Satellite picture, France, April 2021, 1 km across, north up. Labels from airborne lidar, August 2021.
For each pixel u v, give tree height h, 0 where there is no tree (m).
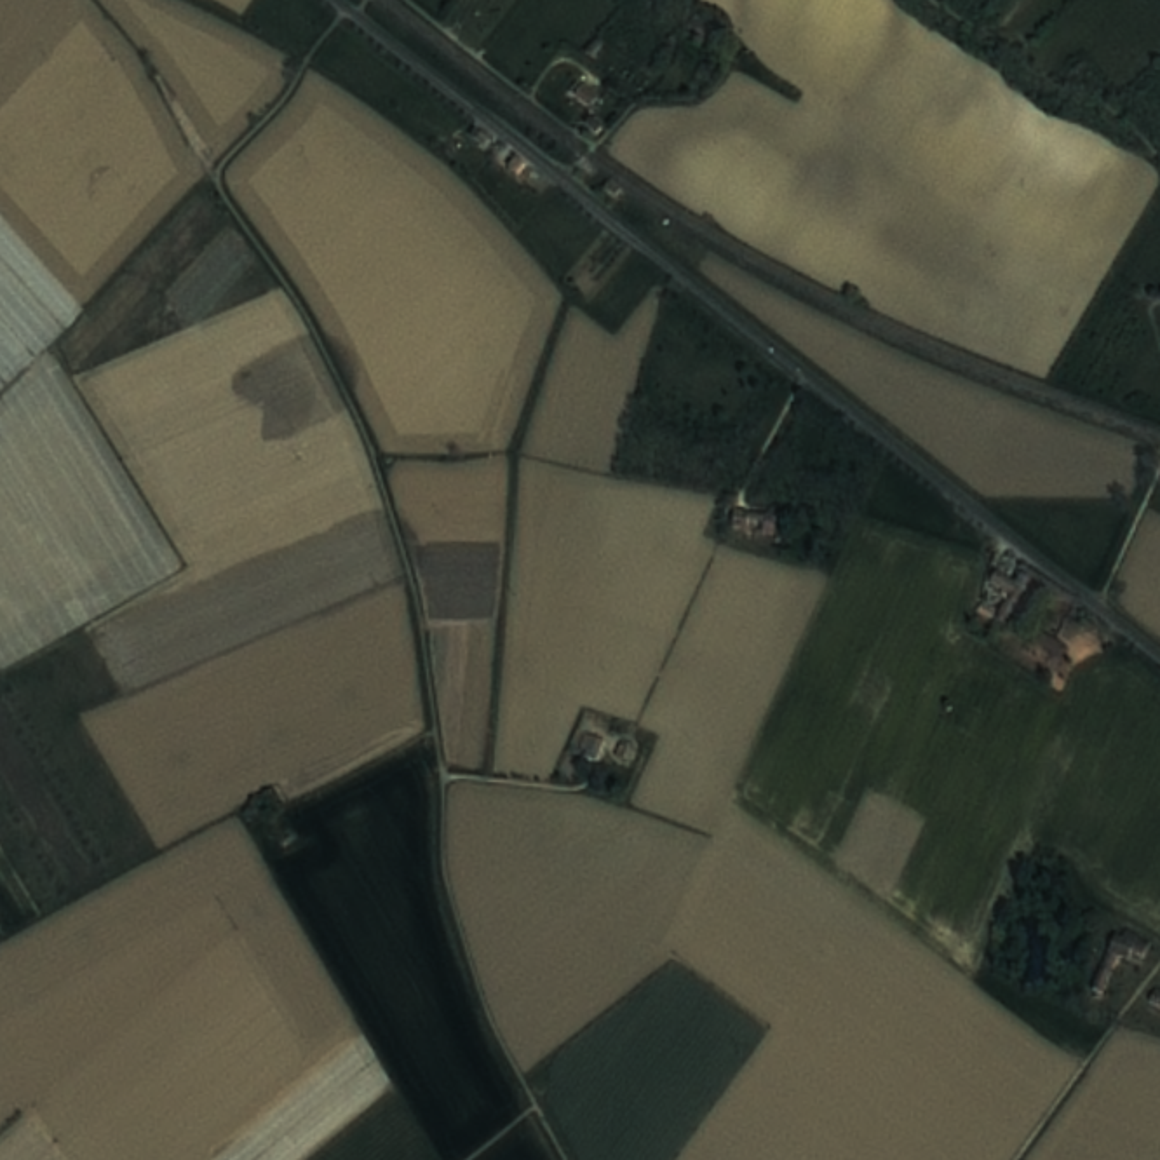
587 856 0
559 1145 0
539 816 0
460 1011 0
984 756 0
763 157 0
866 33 0
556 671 0
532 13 0
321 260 0
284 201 0
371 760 0
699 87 6
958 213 0
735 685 0
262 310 0
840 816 0
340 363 0
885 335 0
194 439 0
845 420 13
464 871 0
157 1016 0
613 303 0
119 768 0
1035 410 0
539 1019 0
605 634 0
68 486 0
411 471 0
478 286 0
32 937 0
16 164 0
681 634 0
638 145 0
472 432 0
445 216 0
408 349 0
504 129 0
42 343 0
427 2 0
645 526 0
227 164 0
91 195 0
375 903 0
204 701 0
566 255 0
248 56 0
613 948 0
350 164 0
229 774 0
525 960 0
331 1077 0
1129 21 0
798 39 0
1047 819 0
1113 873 0
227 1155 0
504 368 0
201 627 0
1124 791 0
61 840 0
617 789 17
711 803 0
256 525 0
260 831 0
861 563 0
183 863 0
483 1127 0
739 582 0
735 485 13
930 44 0
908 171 0
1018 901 8
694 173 0
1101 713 0
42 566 0
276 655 0
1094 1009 16
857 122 0
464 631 0
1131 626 0
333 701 0
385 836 0
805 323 0
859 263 0
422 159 0
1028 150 0
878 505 0
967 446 0
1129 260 0
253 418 0
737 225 0
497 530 0
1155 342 0
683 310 11
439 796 0
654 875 0
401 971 0
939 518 0
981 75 0
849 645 0
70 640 0
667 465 12
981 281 0
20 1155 0
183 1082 0
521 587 0
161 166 0
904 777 0
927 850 0
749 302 0
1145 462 19
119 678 0
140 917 0
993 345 0
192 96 0
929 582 0
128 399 0
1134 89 6
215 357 0
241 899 0
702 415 5
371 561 0
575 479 0
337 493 0
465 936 0
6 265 0
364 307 0
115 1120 0
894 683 0
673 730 0
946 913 0
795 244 0
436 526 0
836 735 0
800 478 16
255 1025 0
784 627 0
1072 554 0
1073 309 0
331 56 0
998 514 0
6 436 0
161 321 0
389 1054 0
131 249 0
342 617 0
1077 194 0
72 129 0
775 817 0
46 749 11
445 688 0
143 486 0
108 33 0
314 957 0
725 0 0
